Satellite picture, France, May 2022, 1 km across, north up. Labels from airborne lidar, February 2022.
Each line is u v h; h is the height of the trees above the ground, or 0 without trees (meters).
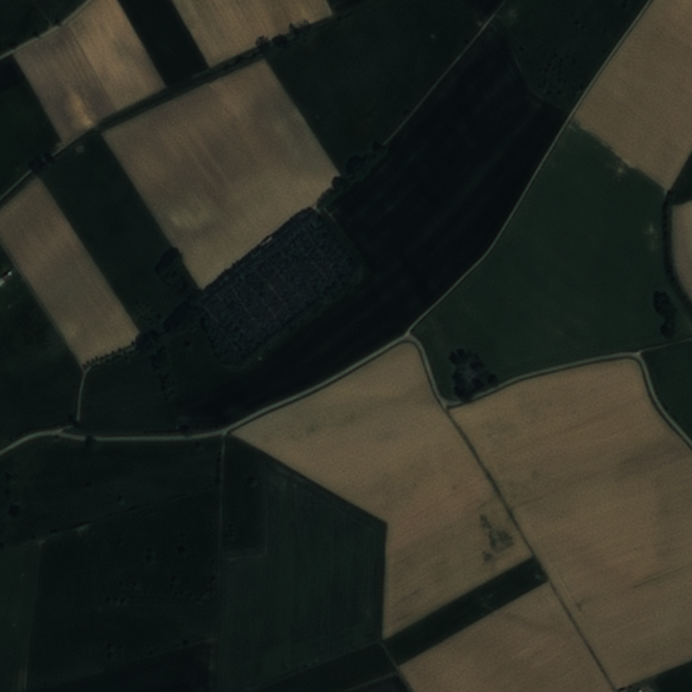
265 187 0
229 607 0
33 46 0
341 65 0
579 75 0
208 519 0
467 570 0
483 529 0
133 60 0
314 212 13
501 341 0
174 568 0
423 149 0
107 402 0
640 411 0
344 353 0
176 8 0
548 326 0
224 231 0
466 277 0
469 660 0
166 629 0
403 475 0
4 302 0
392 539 0
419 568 0
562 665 0
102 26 0
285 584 0
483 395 0
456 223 0
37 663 0
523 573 0
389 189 0
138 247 0
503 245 0
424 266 0
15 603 0
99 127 0
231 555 0
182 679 0
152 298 0
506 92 0
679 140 0
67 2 0
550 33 0
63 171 0
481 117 0
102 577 0
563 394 0
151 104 0
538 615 0
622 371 0
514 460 0
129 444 0
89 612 0
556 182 0
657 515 0
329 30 0
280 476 0
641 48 0
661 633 0
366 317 0
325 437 0
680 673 0
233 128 0
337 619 0
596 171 0
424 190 0
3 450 0
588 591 0
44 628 0
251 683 0
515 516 0
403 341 0
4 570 0
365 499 0
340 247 17
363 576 0
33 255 0
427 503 0
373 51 0
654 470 0
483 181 0
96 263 0
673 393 0
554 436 0
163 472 0
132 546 0
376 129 0
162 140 0
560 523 0
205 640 0
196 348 0
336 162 0
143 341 21
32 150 0
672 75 0
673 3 0
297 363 0
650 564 0
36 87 0
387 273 0
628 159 0
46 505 0
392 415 0
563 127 0
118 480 0
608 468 0
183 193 0
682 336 0
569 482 0
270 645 0
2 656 0
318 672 0
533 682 0
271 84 0
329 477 0
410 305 0
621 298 0
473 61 0
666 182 0
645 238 0
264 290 23
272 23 0
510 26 0
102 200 0
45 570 0
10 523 0
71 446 0
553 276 0
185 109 0
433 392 0
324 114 0
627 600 0
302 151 0
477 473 0
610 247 0
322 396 0
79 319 0
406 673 0
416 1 0
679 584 0
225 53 0
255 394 0
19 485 0
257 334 25
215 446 0
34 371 0
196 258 0
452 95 0
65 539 0
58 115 0
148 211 0
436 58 0
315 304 24
